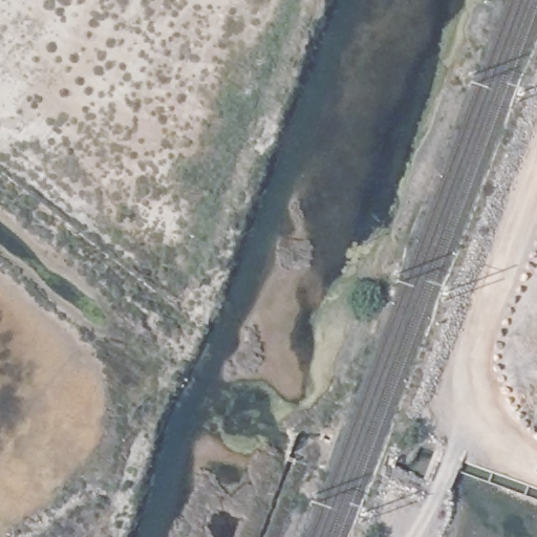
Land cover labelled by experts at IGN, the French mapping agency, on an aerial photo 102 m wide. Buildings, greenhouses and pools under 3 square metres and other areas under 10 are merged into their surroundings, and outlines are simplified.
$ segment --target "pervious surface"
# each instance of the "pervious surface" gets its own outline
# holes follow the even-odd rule
[[[208,285],[201,285],[195,277],[189,279],[189,287],[182,294],[182,313],[189,315],[182,321],[182,334],[174,331],[172,336],[168,336],[159,325],[157,313],[151,313],[147,317],[153,334],[157,336],[159,348],[172,350],[176,359],[187,361],[193,357],[206,331],[206,325],[210,323],[212,313],[222,302],[222,285],[229,273],[218,266],[206,271],[212,279]]]
[[[287,42],[283,42],[281,48],[279,67],[273,71],[269,88],[262,96],[264,132],[256,143],[256,151],[266,153],[275,145],[283,109],[289,103],[298,73],[302,69],[308,38],[315,34],[317,19],[323,17],[325,0],[300,0],[298,17],[292,23],[289,38]]]
[[[88,231],[96,233],[101,239],[109,233],[111,248],[117,248],[120,243],[126,250],[130,250],[134,241],[147,241],[153,231],[164,233],[164,243],[168,245],[180,241],[176,229],[178,218],[185,220],[189,216],[189,210],[201,197],[208,197],[208,191],[199,191],[191,182],[182,180],[182,168],[206,159],[206,155],[212,149],[210,138],[214,138],[222,128],[222,120],[216,111],[210,111],[210,105],[218,96],[218,71],[224,67],[224,61],[229,57],[224,48],[218,48],[218,40],[222,36],[229,8],[237,8],[237,17],[243,19],[243,31],[233,34],[233,42],[254,46],[256,38],[264,34],[266,25],[273,21],[279,0],[0,0],[0,180],[13,185],[19,176],[25,178],[27,185],[36,187],[44,197],[52,199],[73,218],[84,222]]]
[[[300,275],[310,269],[313,248],[304,227],[300,199],[289,195],[287,212],[294,224],[294,233],[275,239],[273,269],[258,292],[258,298],[250,315],[241,323],[239,346],[222,365],[222,380],[235,382],[264,378],[271,380],[281,392],[296,396],[300,390],[300,365],[296,352],[292,350],[292,331],[300,308],[296,300],[296,289]]]
[[[71,302],[67,302],[63,296],[55,292],[48,294],[48,300],[55,302],[57,308],[67,315],[65,321],[78,329],[90,327],[94,329],[96,338],[103,340],[111,323],[120,323],[122,327],[130,327],[134,331],[141,325],[141,321],[111,308],[111,302],[80,275],[80,260],[67,266],[67,248],[50,245],[29,229],[25,229],[23,220],[17,214],[0,206],[0,222],[6,229],[10,229],[46,264],[48,271],[69,281],[78,292],[82,292],[86,298],[94,302],[94,306],[103,310],[101,319],[86,317],[80,308],[76,308]]]
[[[480,65],[476,65],[474,69],[474,88],[470,92],[470,99],[466,99],[455,124],[457,130],[449,147],[447,168],[436,185],[436,191],[428,201],[428,210],[424,212],[424,222],[417,231],[417,237],[409,241],[407,262],[401,269],[396,304],[390,310],[386,323],[378,329],[378,340],[373,342],[375,357],[369,363],[369,371],[357,378],[352,411],[334,445],[334,453],[327,468],[327,480],[317,491],[315,514],[302,537],[457,537],[464,516],[468,514],[468,506],[466,501],[453,499],[451,487],[461,464],[529,487],[537,485],[537,0],[501,0],[501,17],[495,23],[491,42],[485,46]],[[432,350],[426,357],[424,375],[413,396],[405,394],[403,388],[409,369],[415,363],[415,352],[420,348],[422,336],[432,340]],[[432,426],[432,432],[426,441],[413,443],[411,447],[396,447],[392,432],[388,428],[396,407],[405,409],[409,417],[417,417],[424,417],[426,424]],[[424,478],[403,472],[396,466],[399,455],[405,455],[407,461],[411,461],[420,449],[432,451]],[[365,524],[365,516],[371,516],[371,512],[367,512],[363,506],[359,506],[357,512],[350,506],[350,501],[361,503],[371,472],[382,476],[382,524],[373,524],[369,529]]]
[[[134,493],[122,491],[115,493],[115,497],[111,499],[111,537],[126,537],[134,516]]]
[[[130,449],[130,457],[124,466],[124,480],[141,482],[153,445],[145,436],[136,436]]]

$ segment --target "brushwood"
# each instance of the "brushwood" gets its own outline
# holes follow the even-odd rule
[[[17,283],[23,283],[29,296],[34,296],[40,306],[44,306],[46,310],[55,313],[59,319],[65,321],[67,315],[57,308],[55,302],[48,300],[48,294],[55,292],[23,258],[15,256],[0,243],[0,271],[8,273]]]
[[[208,197],[201,197],[189,210],[189,216],[185,220],[178,218],[176,229],[180,241],[168,245],[164,243],[164,233],[153,231],[147,241],[134,241],[130,250],[126,250],[120,243],[117,248],[111,248],[109,233],[101,239],[96,233],[88,231],[84,222],[73,218],[52,199],[44,197],[36,187],[27,185],[25,178],[19,176],[13,185],[0,180],[0,206],[17,214],[23,220],[25,229],[29,229],[50,245],[67,248],[67,266],[80,260],[80,275],[111,302],[111,308],[141,321],[141,325],[134,331],[130,327],[122,327],[120,323],[111,323],[103,340],[96,338],[94,329],[90,327],[78,329],[82,340],[90,342],[96,348],[96,357],[105,365],[107,399],[105,413],[101,417],[101,436],[90,455],[86,457],[86,461],[69,474],[63,487],[57,487],[52,491],[52,499],[44,506],[31,508],[17,520],[15,533],[6,531],[2,533],[2,537],[38,537],[55,520],[63,518],[69,510],[94,499],[96,508],[105,512],[94,524],[90,524],[92,537],[111,537],[111,499],[115,497],[115,493],[122,491],[134,493],[138,491],[141,482],[124,480],[124,466],[130,457],[130,449],[136,436],[145,436],[153,445],[157,422],[162,420],[168,407],[172,392],[187,384],[187,373],[182,369],[187,361],[176,359],[172,350],[159,348],[157,336],[153,334],[147,317],[151,313],[157,313],[159,325],[168,336],[172,336],[174,331],[182,334],[182,321],[189,315],[182,313],[182,294],[189,287],[189,279],[195,277],[201,285],[208,285],[212,279],[206,271],[218,266],[229,273],[229,262],[235,252],[237,237],[245,227],[245,216],[254,191],[260,187],[266,172],[266,153],[256,151],[256,143],[264,132],[262,96],[269,88],[273,71],[279,67],[281,48],[283,42],[287,42],[289,38],[292,23],[298,17],[300,0],[279,0],[273,21],[266,25],[264,34],[256,38],[254,46],[233,42],[233,34],[243,31],[243,19],[237,17],[237,8],[229,8],[222,36],[218,40],[218,48],[224,48],[229,57],[224,61],[224,67],[218,71],[218,96],[210,105],[210,111],[216,111],[222,120],[222,128],[214,138],[210,138],[212,149],[206,155],[206,159],[182,168],[182,180],[191,182],[199,191],[208,191]]]
[[[380,283],[384,281],[384,277],[357,277],[355,287],[348,296],[348,306],[357,321],[371,321],[384,308],[384,302],[380,302]]]
[[[424,417],[417,417],[411,428],[413,443],[426,441],[432,432],[432,426],[426,424]]]

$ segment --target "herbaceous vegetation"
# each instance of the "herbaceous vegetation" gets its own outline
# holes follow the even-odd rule
[[[105,512],[96,508],[94,499],[69,510],[63,518],[55,520],[38,537],[92,537],[90,524],[94,524]]]
[[[0,430],[13,432],[17,424],[23,422],[23,417],[17,392],[8,386],[0,390]]]
[[[432,350],[432,340],[422,336],[420,348],[415,352],[415,363],[409,369],[403,388],[405,394],[413,396],[424,375],[426,357]]]
[[[407,164],[405,176],[399,182],[396,201],[390,206],[392,222],[390,227],[375,229],[367,241],[355,243],[346,252],[346,266],[342,269],[342,275],[334,281],[329,294],[323,298],[317,313],[313,313],[313,386],[308,388],[306,399],[300,405],[292,405],[292,411],[277,422],[279,428],[287,434],[285,449],[275,451],[264,436],[229,434],[222,441],[201,436],[195,443],[193,451],[193,489],[182,508],[182,514],[174,520],[168,537],[214,537],[210,531],[210,520],[218,512],[227,512],[233,518],[237,518],[237,529],[233,537],[302,537],[315,514],[317,491],[327,480],[327,468],[334,453],[334,445],[352,411],[357,378],[369,371],[369,363],[375,357],[373,342],[378,340],[378,329],[386,323],[390,310],[396,304],[401,269],[407,262],[409,241],[417,237],[417,231],[424,222],[424,212],[428,210],[428,201],[436,191],[436,185],[447,168],[449,147],[457,130],[455,124],[466,99],[470,99],[470,92],[474,88],[474,69],[476,65],[480,65],[485,46],[491,42],[495,23],[501,17],[501,0],[466,0],[461,13],[445,25],[441,36],[441,52],[432,96],[420,122],[413,153]],[[357,321],[348,306],[348,296],[355,287],[357,277],[384,277],[384,281],[380,283],[380,302],[384,302],[384,308],[371,321]],[[237,466],[241,470],[241,478],[237,482],[218,482],[216,476],[208,470],[210,461]]]
[[[363,506],[367,512],[371,512],[371,516],[365,516],[365,524],[369,529],[373,524],[382,524],[382,476],[371,472],[361,503],[350,501],[350,506],[357,512],[359,506]]]
[[[417,417],[409,417],[405,409],[396,407],[388,428],[392,432],[396,447],[411,447],[413,443],[411,428]]]
[[[0,331],[0,359],[6,359],[10,355],[13,331]]]

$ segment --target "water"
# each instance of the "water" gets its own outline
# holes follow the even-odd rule
[[[457,537],[537,537],[537,485],[529,487],[461,464],[451,487],[453,499],[466,501],[468,506],[468,514],[464,516]]]
[[[403,472],[424,478],[432,451],[420,449],[411,461],[407,461],[405,455],[399,455],[396,466]]]
[[[78,292],[69,281],[48,271],[46,264],[10,229],[6,229],[0,222],[0,243],[15,256],[23,258],[55,292],[63,296],[67,302],[71,302],[76,308],[80,308],[86,317],[101,319],[103,310],[94,306],[94,302],[86,298],[82,292]]]
[[[237,466],[210,461],[208,470],[216,476],[218,482],[237,482],[241,478],[241,470]]]
[[[237,518],[233,518],[227,512],[218,512],[210,520],[210,531],[214,537],[233,537],[237,529]]]
[[[23,422],[17,424],[13,432],[0,430],[0,537],[2,537],[2,533],[6,531],[15,533],[17,520],[31,508],[44,506],[52,499],[52,491],[57,487],[63,487],[69,474],[86,461],[86,457],[90,455],[101,436],[101,417],[105,413],[107,399],[105,365],[96,357],[96,348],[90,342],[82,340],[78,329],[65,321],[59,319],[55,313],[46,310],[44,306],[40,306],[34,296],[29,296],[23,283],[17,283],[8,273],[0,271],[0,331],[13,331],[10,355],[6,359],[0,359],[0,390],[8,386],[17,392],[23,417]]]
[[[168,537],[174,520],[182,514],[182,508],[193,489],[193,451],[195,443],[201,436],[222,441],[229,434],[264,436],[275,451],[285,449],[287,434],[279,428],[277,422],[292,411],[292,405],[300,405],[306,399],[308,388],[313,386],[313,313],[317,313],[323,298],[329,294],[334,281],[342,275],[342,269],[346,266],[346,252],[355,243],[367,241],[375,229],[390,227],[392,222],[390,206],[396,201],[399,182],[405,176],[407,164],[413,153],[420,122],[432,96],[441,52],[441,36],[445,25],[461,13],[466,0],[325,0],[323,17],[317,19],[315,34],[308,38],[302,69],[298,73],[289,103],[283,109],[275,145],[266,153],[266,172],[260,187],[254,191],[245,216],[245,227],[237,237],[235,252],[229,262],[229,273],[222,285],[222,302],[212,313],[210,323],[206,325],[206,331],[193,357],[187,361],[182,369],[187,373],[187,384],[172,392],[168,407],[162,420],[157,422],[153,445],[141,482],[138,491],[134,493],[134,516],[126,537]],[[258,298],[258,292],[273,269],[275,239],[294,233],[294,224],[287,212],[289,195],[300,199],[304,227],[313,248],[310,269],[300,275],[296,289],[296,300],[300,308],[292,331],[292,350],[296,352],[300,365],[300,390],[296,396],[281,392],[271,380],[264,378],[235,382],[222,380],[222,365],[239,346],[241,323],[250,315]]]

